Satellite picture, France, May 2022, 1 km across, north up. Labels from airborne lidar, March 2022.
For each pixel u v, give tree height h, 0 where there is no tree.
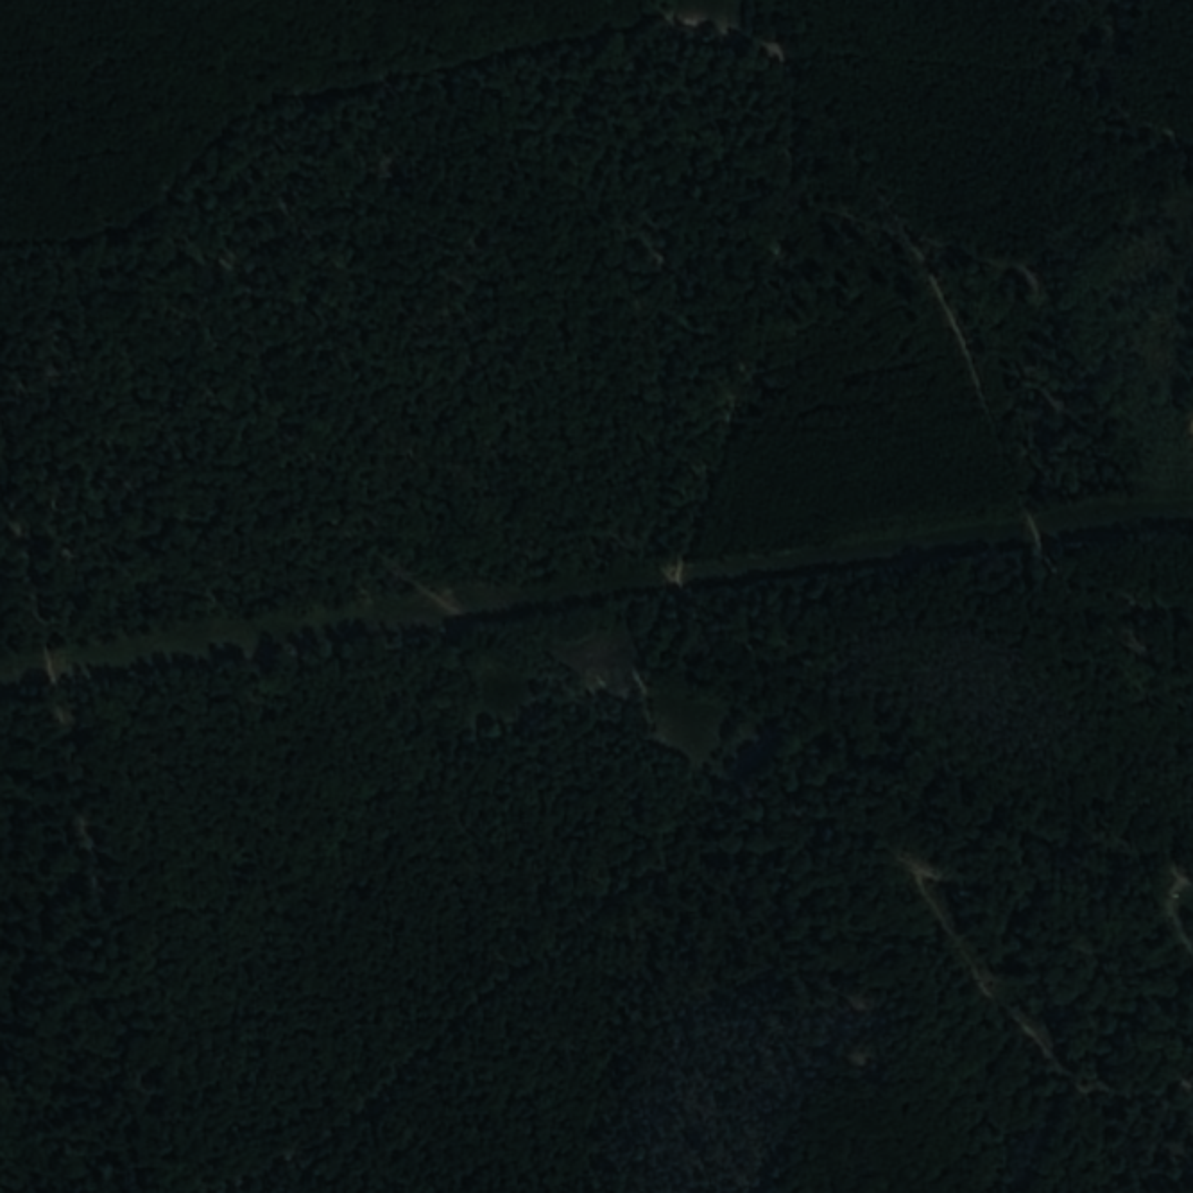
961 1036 36
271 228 31
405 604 0
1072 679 25
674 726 0
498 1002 20
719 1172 26
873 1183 28
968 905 34
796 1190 30
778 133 27
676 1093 30
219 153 30
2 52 17
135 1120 32
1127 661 30
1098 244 25
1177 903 0
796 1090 25
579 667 0
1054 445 33
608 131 29
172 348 28
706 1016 28
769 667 29
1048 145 20
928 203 18
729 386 28
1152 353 0
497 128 29
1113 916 33
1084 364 17
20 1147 35
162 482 31
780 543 20
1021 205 22
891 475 16
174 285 30
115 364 34
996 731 23
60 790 33
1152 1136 10
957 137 20
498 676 0
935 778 35
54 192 20
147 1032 32
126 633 27
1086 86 26
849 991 29
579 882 30
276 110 29
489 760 27
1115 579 26
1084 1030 37
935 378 9
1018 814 23
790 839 37
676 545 28
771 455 17
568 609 22
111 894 32
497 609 0
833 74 24
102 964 36
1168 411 21
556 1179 20
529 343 31
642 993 30
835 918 34
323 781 26
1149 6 28
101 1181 32
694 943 31
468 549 29
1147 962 34
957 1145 29
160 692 26
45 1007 40
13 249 26
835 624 28
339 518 30
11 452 23
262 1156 26
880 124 19
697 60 34
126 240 31
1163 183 26
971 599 28
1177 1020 35
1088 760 23
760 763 33
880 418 18
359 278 29
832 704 33
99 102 18
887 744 36
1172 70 30
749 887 29
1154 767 22
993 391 8
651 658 19
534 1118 24
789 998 27
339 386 32
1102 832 32
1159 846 27
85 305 29
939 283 32
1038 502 25
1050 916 35
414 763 29
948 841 36
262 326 31
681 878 33
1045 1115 21
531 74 31
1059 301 27
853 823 34
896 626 26
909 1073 29
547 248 29
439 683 28
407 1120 25
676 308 31
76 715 30
